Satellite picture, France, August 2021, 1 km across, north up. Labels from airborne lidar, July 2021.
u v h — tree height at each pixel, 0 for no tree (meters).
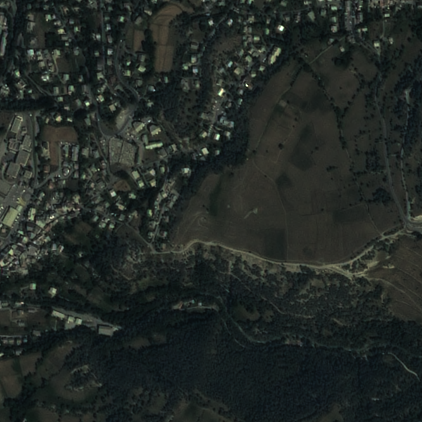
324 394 8
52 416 0
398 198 0
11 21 12
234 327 9
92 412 9
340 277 8
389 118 0
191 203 0
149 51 21
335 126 0
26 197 0
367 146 0
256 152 7
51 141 0
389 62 6
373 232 0
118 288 8
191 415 0
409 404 9
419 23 5
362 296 8
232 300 17
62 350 0
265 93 0
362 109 0
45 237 0
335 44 12
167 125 0
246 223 0
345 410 8
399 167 8
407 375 10
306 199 0
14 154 0
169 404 9
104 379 11
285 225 0
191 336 14
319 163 0
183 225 0
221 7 11
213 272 17
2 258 0
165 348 15
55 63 0
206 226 0
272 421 9
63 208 0
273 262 0
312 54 0
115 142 0
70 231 6
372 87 7
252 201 0
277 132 0
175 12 0
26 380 10
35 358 0
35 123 0
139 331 14
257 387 13
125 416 12
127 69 11
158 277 19
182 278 17
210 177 0
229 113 13
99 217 8
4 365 0
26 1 7
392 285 0
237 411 12
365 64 0
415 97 12
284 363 17
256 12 13
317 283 0
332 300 10
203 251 5
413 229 0
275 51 0
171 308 10
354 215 0
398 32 0
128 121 0
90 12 8
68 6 9
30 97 10
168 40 0
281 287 7
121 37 14
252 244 0
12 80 9
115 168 0
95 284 10
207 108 12
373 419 12
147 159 0
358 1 0
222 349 13
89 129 6
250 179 0
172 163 9
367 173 7
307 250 0
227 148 15
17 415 6
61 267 7
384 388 11
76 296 13
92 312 7
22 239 0
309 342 13
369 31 6
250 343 9
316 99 0
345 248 0
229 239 0
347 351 7
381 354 7
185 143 0
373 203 6
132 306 17
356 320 13
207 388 11
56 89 0
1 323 0
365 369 14
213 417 0
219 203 0
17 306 0
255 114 0
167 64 0
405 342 22
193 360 14
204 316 11
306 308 8
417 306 0
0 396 0
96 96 8
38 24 0
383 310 6
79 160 8
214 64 7
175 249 0
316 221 0
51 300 12
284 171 0
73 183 0
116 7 14
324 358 11
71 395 0
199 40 0
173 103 7
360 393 13
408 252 0
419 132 11
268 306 21
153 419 10
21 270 0
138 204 11
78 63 0
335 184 0
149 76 20
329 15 6
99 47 11
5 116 0
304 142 0
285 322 15
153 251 0
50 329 0
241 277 8
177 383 6
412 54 0
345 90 0
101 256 18
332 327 15
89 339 15
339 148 0
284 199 0
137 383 10
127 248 6
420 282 0
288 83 0
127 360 17
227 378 13
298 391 18
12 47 16
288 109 0
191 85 0
